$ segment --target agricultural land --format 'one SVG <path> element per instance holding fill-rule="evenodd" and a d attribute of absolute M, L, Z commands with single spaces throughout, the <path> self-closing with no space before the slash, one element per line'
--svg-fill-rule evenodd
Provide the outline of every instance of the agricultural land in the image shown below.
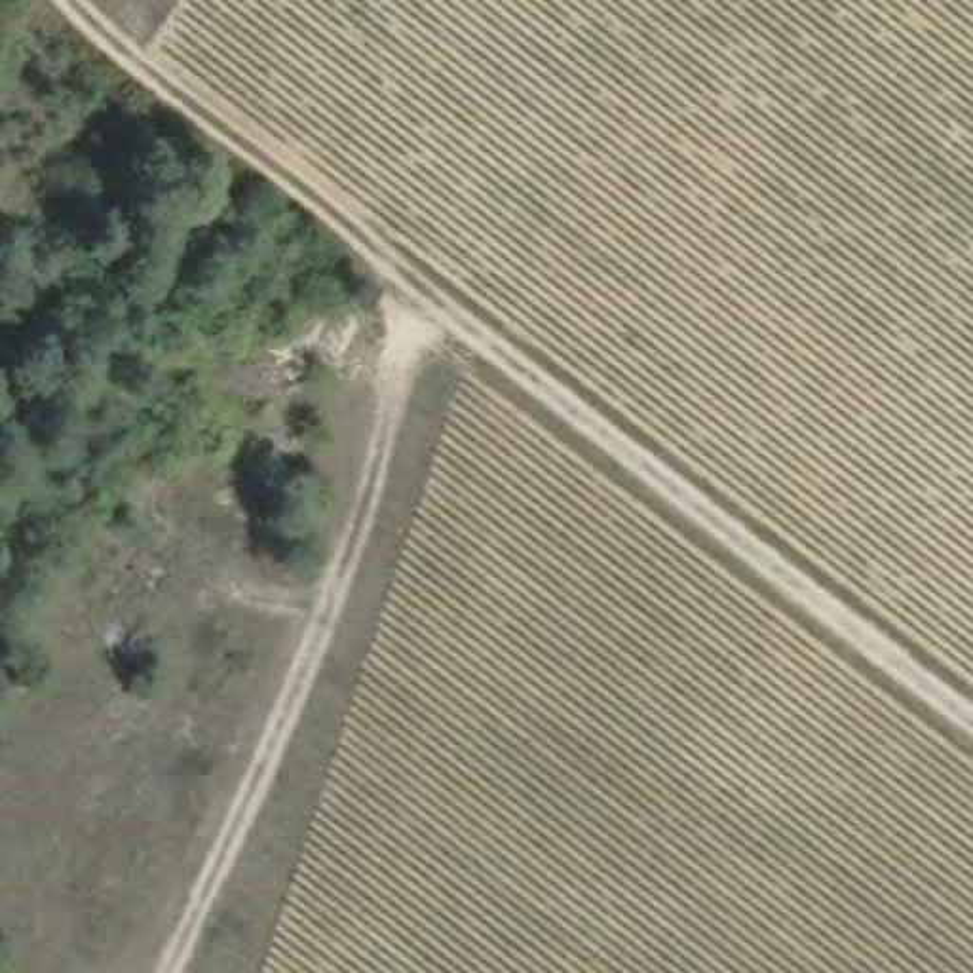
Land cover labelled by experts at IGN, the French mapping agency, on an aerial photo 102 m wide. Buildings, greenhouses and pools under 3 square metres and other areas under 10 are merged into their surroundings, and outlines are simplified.
<path fill-rule="evenodd" d="M 129 38 L 144 46 L 163 27 L 175 0 L 95 0 Z"/>

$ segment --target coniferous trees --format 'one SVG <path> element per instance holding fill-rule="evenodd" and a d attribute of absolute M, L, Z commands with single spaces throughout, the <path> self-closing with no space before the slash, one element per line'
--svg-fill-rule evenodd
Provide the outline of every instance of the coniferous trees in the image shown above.
<path fill-rule="evenodd" d="M 209 144 L 182 114 L 163 106 L 133 76 L 125 76 L 49 0 L 0 0 L 0 692 L 8 692 L 11 684 L 30 688 L 49 677 L 49 658 L 38 646 L 23 639 L 8 642 L 8 627 L 15 623 L 15 597 L 27 589 L 27 574 L 61 570 L 65 551 L 80 544 L 80 536 L 99 536 L 106 525 L 122 528 L 133 517 L 129 487 L 156 464 L 175 456 L 179 426 L 190 418 L 190 410 L 201 407 L 201 388 L 190 369 L 167 372 L 144 365 L 137 353 L 144 346 L 171 350 L 171 338 L 179 334 L 224 334 L 228 327 L 243 323 L 243 315 L 258 323 L 258 334 L 270 346 L 277 346 L 296 331 L 308 331 L 312 319 L 342 327 L 350 312 L 380 304 L 380 300 L 380 281 L 350 251 L 304 205 L 274 190 L 258 171 L 251 171 L 232 152 Z"/>
<path fill-rule="evenodd" d="M 315 582 L 327 563 L 327 540 L 319 536 L 319 528 L 331 521 L 331 506 L 338 502 L 331 475 L 312 464 L 308 475 L 293 479 L 285 490 L 281 536 L 293 551 L 285 559 L 285 570 L 296 585 Z"/>

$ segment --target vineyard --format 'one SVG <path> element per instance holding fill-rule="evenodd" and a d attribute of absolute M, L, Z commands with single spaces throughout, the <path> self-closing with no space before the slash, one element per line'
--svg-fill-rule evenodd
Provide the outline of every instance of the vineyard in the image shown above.
<path fill-rule="evenodd" d="M 912 661 L 920 661 L 927 673 L 935 673 L 943 684 L 950 684 L 958 696 L 973 703 L 973 0 L 175 0 L 163 27 L 144 46 L 148 65 L 163 72 L 179 91 L 186 91 L 194 103 L 224 118 L 236 133 L 243 133 L 251 144 L 258 144 L 266 156 L 274 156 L 281 167 L 304 179 L 319 198 L 327 198 L 338 213 L 346 213 L 361 228 L 361 239 L 350 251 L 380 281 L 380 300 L 391 300 L 410 315 L 418 315 L 429 304 L 448 308 L 456 300 L 498 338 L 532 357 L 547 376 L 570 388 L 582 403 L 604 414 L 620 433 L 654 452 L 665 467 L 688 479 L 718 509 L 741 521 L 756 540 L 775 547 L 791 566 L 798 566 L 825 593 L 832 593 L 840 604 L 848 604 L 855 616 L 878 627 L 889 642 L 897 642 Z"/>
<path fill-rule="evenodd" d="M 395 566 L 391 597 L 380 612 L 380 627 L 365 658 L 361 684 L 353 688 L 338 753 L 331 760 L 327 787 L 319 794 L 315 821 L 262 973 L 973 973 L 973 737 L 950 726 L 943 715 L 935 715 L 924 699 L 901 688 L 889 673 L 867 661 L 840 635 L 832 635 L 802 604 L 787 601 L 772 582 L 764 582 L 753 566 L 745 566 L 734 551 L 711 540 L 669 502 L 661 502 L 642 479 L 635 479 L 623 464 L 616 464 L 604 448 L 582 437 L 574 426 L 566 426 L 555 410 L 532 399 L 525 388 L 517 388 L 509 376 L 502 376 L 487 357 L 479 357 L 460 338 L 433 342 L 414 369 L 414 380 L 426 391 L 433 384 L 448 384 L 456 395 L 448 399 L 448 422 L 418 502 L 418 517 L 403 544 L 403 559 Z"/>

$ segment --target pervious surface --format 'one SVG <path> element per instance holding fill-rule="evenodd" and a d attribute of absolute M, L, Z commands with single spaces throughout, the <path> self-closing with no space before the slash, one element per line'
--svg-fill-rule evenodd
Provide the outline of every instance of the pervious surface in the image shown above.
<path fill-rule="evenodd" d="M 414 369 L 433 342 L 460 338 L 479 357 L 487 357 L 502 376 L 509 376 L 517 388 L 525 388 L 532 399 L 555 410 L 566 426 L 574 426 L 582 437 L 604 448 L 616 464 L 623 464 L 635 479 L 642 479 L 661 502 L 669 502 L 711 540 L 734 551 L 745 566 L 753 566 L 764 582 L 772 582 L 787 601 L 802 604 L 832 635 L 840 635 L 867 661 L 889 673 L 901 688 L 924 699 L 935 715 L 943 715 L 950 726 L 973 737 L 973 703 L 958 696 L 950 684 L 943 684 L 935 673 L 927 673 L 920 661 L 912 661 L 897 642 L 889 642 L 878 627 L 855 616 L 848 604 L 840 604 L 832 593 L 825 593 L 798 566 L 791 566 L 775 547 L 756 540 L 741 521 L 718 509 L 688 479 L 665 467 L 654 452 L 620 433 L 604 414 L 582 403 L 570 388 L 547 376 L 532 357 L 498 338 L 456 300 L 448 308 L 429 304 L 418 315 L 410 315 L 391 300 L 380 300 L 380 304 L 384 346 L 372 384 L 372 426 L 353 494 L 346 502 L 342 528 L 327 540 L 327 563 L 315 582 L 308 627 L 300 631 L 300 642 L 289 658 L 258 745 L 236 783 L 224 821 L 190 886 L 190 901 L 175 931 L 167 935 L 152 973 L 186 973 L 201 943 L 205 920 L 274 787 L 285 745 L 304 715 L 319 665 L 338 631 L 350 585 L 357 578 L 361 555 L 369 547 L 384 502 L 395 433 L 414 380 Z"/>
<path fill-rule="evenodd" d="M 266 156 L 258 144 L 251 144 L 243 133 L 236 133 L 224 118 L 194 103 L 186 91 L 179 91 L 163 72 L 148 65 L 144 46 L 129 38 L 95 0 L 49 0 L 125 76 L 133 76 L 163 106 L 182 114 L 209 144 L 232 152 L 251 171 L 258 171 L 274 190 L 304 205 L 350 251 L 361 239 L 361 228 L 346 213 L 338 213 L 327 198 L 319 198 L 304 179 L 281 167 L 274 156 Z"/>

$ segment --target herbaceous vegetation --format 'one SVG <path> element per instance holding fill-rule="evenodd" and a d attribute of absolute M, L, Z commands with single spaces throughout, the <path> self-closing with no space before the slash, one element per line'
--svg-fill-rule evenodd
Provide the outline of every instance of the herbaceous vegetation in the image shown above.
<path fill-rule="evenodd" d="M 338 753 L 353 688 L 361 684 L 365 658 L 380 627 L 380 612 L 391 597 L 395 566 L 403 559 L 403 544 L 418 517 L 418 502 L 448 422 L 448 399 L 456 395 L 448 384 L 433 384 L 426 391 L 414 380 L 395 433 L 384 502 L 369 547 L 361 555 L 357 578 L 350 585 L 338 631 L 319 665 L 304 715 L 285 745 L 274 787 L 205 920 L 201 943 L 186 973 L 262 973 L 315 821 L 319 794 L 327 787 L 331 760 Z"/>
<path fill-rule="evenodd" d="M 179 334 L 171 338 L 171 350 L 144 346 L 137 353 L 144 365 L 167 372 L 190 369 L 201 388 L 201 407 L 190 410 L 190 418 L 179 426 L 175 456 L 156 464 L 129 487 L 133 517 L 122 528 L 106 525 L 99 536 L 80 536 L 80 544 L 65 551 L 61 570 L 27 574 L 27 589 L 15 597 L 15 623 L 8 627 L 8 642 L 23 639 L 38 646 L 49 658 L 49 677 L 30 688 L 11 684 L 8 692 L 0 692 L 0 973 L 152 973 L 167 935 L 175 931 L 190 901 L 190 886 L 224 821 L 236 783 L 258 745 L 289 658 L 300 642 L 300 631 L 308 627 L 315 582 L 296 585 L 285 570 L 285 559 L 293 551 L 281 536 L 285 490 L 293 479 L 308 475 L 312 464 L 331 475 L 338 502 L 331 506 L 331 521 L 319 528 L 319 536 L 327 540 L 342 528 L 346 502 L 353 494 L 372 426 L 372 384 L 384 346 L 380 304 L 350 312 L 342 327 L 312 319 L 308 331 L 296 331 L 277 346 L 270 346 L 258 334 L 258 323 L 243 315 L 243 323 L 228 327 L 224 334 Z"/>

